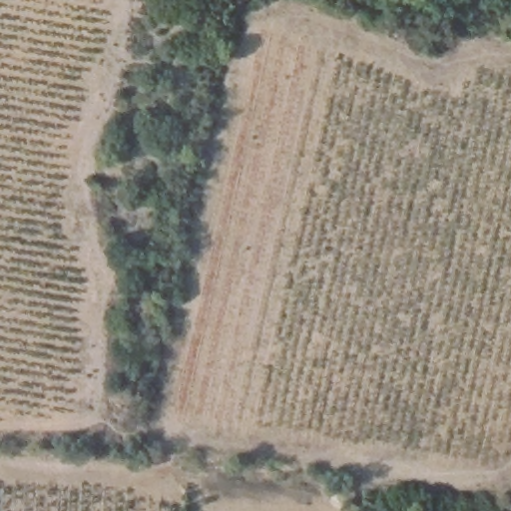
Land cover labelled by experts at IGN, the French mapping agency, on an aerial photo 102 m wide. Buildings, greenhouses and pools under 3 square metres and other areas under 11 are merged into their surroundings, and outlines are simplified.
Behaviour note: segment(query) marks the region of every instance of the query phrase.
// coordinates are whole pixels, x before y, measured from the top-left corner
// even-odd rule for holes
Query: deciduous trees
[[[0,433],[0,453],[8,457],[20,455],[22,449],[28,445],[28,439],[20,431],[18,431]]]
[[[331,507],[341,505],[343,511],[511,511],[511,491],[503,491],[495,497],[487,489],[463,491],[445,483],[427,483],[417,479],[397,483],[389,475],[389,467],[379,463],[333,467],[327,461],[317,461],[309,467],[301,467],[301,461],[295,459],[289,465],[267,461],[263,467],[246,467],[240,463],[238,453],[234,455],[230,449],[204,445],[194,447],[188,443],[188,437],[176,437],[166,437],[162,429],[140,433],[138,437],[128,437],[124,441],[110,431],[92,431],[78,429],[46,433],[52,439],[50,451],[64,463],[76,465],[86,463],[90,459],[108,459],[122,461],[132,471],[152,467],[162,481],[166,477],[174,477],[174,481],[186,489],[186,505],[186,511],[202,511],[206,505],[216,503],[220,499],[261,501],[267,493],[289,497],[301,505],[311,505],[313,497],[329,493],[333,495],[329,499]]]
[[[355,16],[363,30],[387,36],[401,34],[405,44],[415,54],[443,56],[447,52],[457,50],[461,40],[487,36],[493,34],[511,40],[511,0],[311,0],[317,10],[329,16]]]
[[[116,273],[118,285],[110,293],[110,305],[104,315],[108,331],[108,375],[104,383],[106,389],[112,393],[126,391],[130,395],[140,395],[148,399],[148,407],[142,415],[144,421],[160,419],[166,401],[164,387],[170,381],[170,373],[176,367],[176,353],[172,347],[178,339],[186,335],[186,303],[198,295],[200,287],[196,265],[202,252],[212,246],[212,236],[208,226],[202,222],[202,214],[206,208],[208,180],[218,176],[212,164],[222,162],[224,144],[220,142],[218,134],[228,128],[228,124],[234,118],[234,110],[226,108],[226,74],[236,58],[246,58],[261,46],[259,36],[248,32],[250,12],[255,12],[277,0],[138,0],[142,2],[140,16],[130,18],[128,50],[132,52],[132,64],[122,72],[120,90],[114,100],[116,116],[104,126],[102,138],[94,150],[96,170],[94,176],[88,178],[92,202],[96,208],[96,220],[100,228],[100,246],[106,250],[108,263]]]

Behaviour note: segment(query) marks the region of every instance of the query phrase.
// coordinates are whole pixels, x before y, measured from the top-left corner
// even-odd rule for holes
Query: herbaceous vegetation
[[[102,415],[102,421],[92,431],[110,431],[124,441],[128,437],[138,437],[140,433],[162,429],[160,419],[144,421],[142,415],[148,407],[148,399],[140,395],[130,395],[126,391],[112,393],[106,389],[106,393],[102,395],[106,411]]]

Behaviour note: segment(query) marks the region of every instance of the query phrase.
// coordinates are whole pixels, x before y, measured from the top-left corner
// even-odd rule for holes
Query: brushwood
[[[28,445],[22,449],[20,455],[38,457],[44,451],[50,451],[52,439],[46,433],[20,431],[28,439]]]

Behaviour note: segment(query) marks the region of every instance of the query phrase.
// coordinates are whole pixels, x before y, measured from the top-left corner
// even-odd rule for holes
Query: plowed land
[[[449,86],[455,84],[455,80],[461,84],[465,80],[475,80],[479,68],[489,68],[493,72],[501,72],[507,68],[507,58],[501,58],[501,52],[487,36],[461,40],[457,50],[447,52],[443,56],[415,54],[405,44],[401,34],[387,36],[363,30],[355,16],[329,16],[317,10],[311,0],[277,0],[255,12],[250,12],[248,32],[259,36],[267,30],[267,18],[283,16],[289,8],[295,18],[303,20],[303,24],[311,24],[313,30],[333,32],[333,46],[325,50],[325,62],[337,62],[337,54],[343,54],[353,62],[367,62],[373,68],[383,68],[389,74],[403,76],[411,82],[411,90],[415,92],[439,90],[445,94],[449,94]]]
[[[174,477],[166,477],[162,481],[152,467],[132,471],[122,461],[108,459],[90,459],[86,463],[76,465],[64,463],[50,451],[44,451],[38,457],[20,455],[8,457],[0,453],[0,481],[4,481],[6,485],[34,483],[72,489],[78,489],[82,487],[82,481],[88,481],[118,489],[134,487],[138,497],[152,495],[158,501],[186,505],[186,489],[174,481]]]
[[[60,224],[62,234],[70,238],[72,244],[80,248],[80,252],[68,252],[62,248],[52,252],[76,255],[76,265],[84,267],[86,293],[82,293],[82,301],[74,301],[76,311],[58,313],[66,317],[78,317],[76,321],[64,321],[64,325],[78,327],[80,337],[86,339],[86,351],[68,353],[68,357],[80,359],[78,363],[70,363],[70,367],[78,367],[82,369],[82,373],[72,373],[68,381],[52,381],[52,385],[76,387],[76,393],[66,393],[62,401],[54,401],[54,407],[68,407],[74,413],[56,413],[52,419],[22,417],[16,425],[18,431],[20,431],[46,433],[78,429],[92,431],[102,421],[102,415],[106,411],[102,395],[106,393],[106,389],[104,383],[108,375],[108,331],[104,315],[110,305],[110,293],[118,285],[116,273],[108,263],[106,250],[100,246],[100,228],[96,220],[96,208],[92,202],[88,178],[94,176],[96,170],[94,150],[102,138],[104,126],[116,116],[114,100],[120,90],[122,72],[132,64],[132,52],[128,50],[130,18],[140,16],[142,2],[138,0],[12,0],[12,4],[18,6],[46,8],[56,12],[66,12],[64,2],[88,8],[106,8],[110,10],[112,30],[106,38],[106,44],[86,42],[86,48],[102,48],[102,54],[88,54],[94,64],[90,72],[82,72],[80,80],[48,76],[48,82],[54,84],[84,86],[82,90],[60,92],[64,96],[86,98],[86,102],[82,104],[80,122],[70,122],[70,126],[62,130],[62,134],[72,134],[72,140],[68,140],[68,158],[46,158],[48,164],[70,166],[70,170],[66,170],[66,180],[56,180],[56,184],[64,186],[64,192],[60,194],[60,198],[56,198],[56,202],[64,204]]]
[[[202,511],[343,511],[341,505],[331,507],[329,499],[333,495],[329,493],[313,497],[311,505],[301,505],[289,497],[267,493],[261,501],[220,499],[216,503],[206,505]]]
[[[176,437],[188,437],[188,443],[194,447],[204,445],[230,449],[234,455],[238,453],[240,463],[246,467],[263,467],[267,461],[289,465],[295,459],[301,461],[301,467],[309,467],[317,461],[327,461],[333,467],[379,463],[389,467],[389,475],[397,483],[417,479],[427,483],[445,483],[463,491],[487,489],[499,475],[495,469],[483,467],[481,461],[449,457],[443,453],[419,453],[417,449],[405,449],[397,443],[349,443],[343,439],[325,437],[319,431],[293,431],[279,425],[255,427],[252,435],[242,435],[234,429],[232,419],[226,419],[226,429],[216,431],[212,431],[202,421],[198,425],[188,423]]]

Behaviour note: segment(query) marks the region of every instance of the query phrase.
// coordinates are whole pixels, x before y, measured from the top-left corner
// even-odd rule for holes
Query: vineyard
[[[56,180],[66,180],[66,170],[70,170],[70,166],[48,164],[46,158],[68,158],[68,140],[72,140],[72,134],[62,134],[62,130],[70,126],[70,122],[80,122],[82,104],[86,102],[86,98],[64,96],[60,92],[82,90],[84,86],[54,84],[48,82],[48,76],[80,80],[82,72],[90,72],[94,64],[88,54],[102,54],[102,48],[86,48],[86,42],[106,44],[106,38],[112,30],[110,10],[106,8],[88,8],[64,2],[66,12],[56,12],[46,8],[18,6],[12,4],[12,0],[0,0],[0,433],[18,431],[16,425],[22,417],[52,419],[56,413],[74,413],[68,407],[54,407],[54,401],[62,401],[66,393],[76,393],[76,387],[52,385],[52,381],[68,381],[72,373],[82,373],[82,369],[78,367],[70,367],[70,363],[78,363],[80,359],[68,357],[68,353],[86,351],[86,339],[80,337],[78,327],[64,325],[64,321],[76,321],[78,317],[66,317],[58,313],[76,311],[74,301],[82,301],[82,293],[86,293],[84,267],[76,265],[76,255],[52,252],[62,248],[68,252],[80,252],[80,248],[72,244],[70,238],[62,234],[60,224],[64,204],[56,202],[56,198],[60,198],[60,194],[64,192],[64,186],[56,184]]]
[[[158,501],[152,495],[138,497],[134,487],[118,489],[88,481],[82,481],[82,487],[78,489],[72,489],[34,483],[6,485],[4,481],[0,481],[0,511],[186,511],[186,505]]]
[[[487,489],[495,497],[503,491],[511,491],[511,40],[493,34],[487,36],[501,52],[501,58],[507,58],[507,68],[501,72],[493,72],[489,68],[479,68],[475,80],[465,80],[461,84],[455,80],[455,84],[449,86],[449,94],[445,94],[439,90],[415,92],[411,90],[411,82],[403,76],[389,74],[383,68],[373,68],[367,62],[353,62],[343,54],[337,54],[337,62],[325,62],[325,50],[333,46],[333,32],[313,30],[311,24],[303,24],[303,20],[295,18],[289,8],[283,16],[267,18],[267,30],[259,36],[261,46],[246,58],[236,58],[226,74],[226,108],[234,110],[234,118],[228,124],[228,128],[218,134],[220,142],[224,144],[222,162],[212,164],[218,176],[208,180],[206,208],[202,214],[202,222],[208,226],[212,236],[212,246],[202,252],[196,265],[200,287],[198,295],[186,303],[186,335],[178,339],[172,347],[176,353],[176,367],[170,373],[170,381],[164,387],[166,401],[160,419],[162,429],[166,437],[176,437],[188,423],[198,425],[202,421],[212,431],[216,431],[226,429],[226,419],[232,419],[234,429],[242,435],[252,435],[255,427],[279,425],[293,431],[319,431],[325,437],[343,439],[349,443],[397,443],[405,449],[417,449],[419,453],[443,453],[449,457],[481,461],[483,467],[495,469],[499,475]]]

